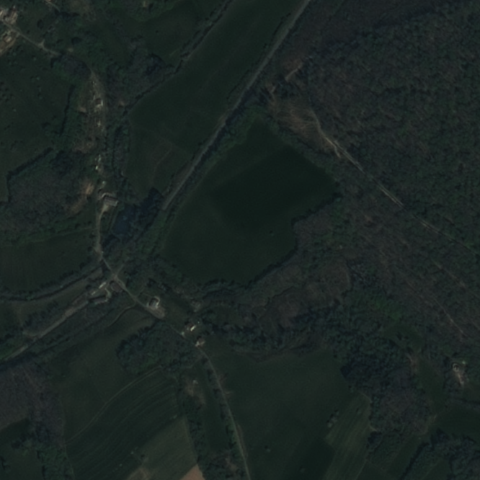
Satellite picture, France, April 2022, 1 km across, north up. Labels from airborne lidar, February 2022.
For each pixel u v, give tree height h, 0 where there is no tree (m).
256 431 0
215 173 0
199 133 0
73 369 0
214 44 0
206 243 0
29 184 30
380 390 17
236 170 0
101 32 0
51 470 19
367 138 26
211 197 0
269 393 0
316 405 0
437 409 0
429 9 10
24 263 0
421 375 0
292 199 0
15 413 31
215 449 0
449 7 28
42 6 10
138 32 0
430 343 18
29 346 0
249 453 0
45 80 0
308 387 0
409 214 27
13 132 0
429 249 30
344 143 30
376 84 32
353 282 8
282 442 0
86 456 0
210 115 0
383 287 26
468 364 15
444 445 28
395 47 26
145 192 0
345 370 0
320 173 0
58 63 20
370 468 0
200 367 0
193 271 0
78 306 0
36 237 23
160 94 0
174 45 0
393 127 29
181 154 0
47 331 0
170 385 0
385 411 30
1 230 20
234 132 28
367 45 29
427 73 29
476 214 29
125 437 0
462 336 29
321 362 0
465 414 0
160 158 0
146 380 0
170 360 23
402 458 0
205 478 8
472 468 32
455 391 23
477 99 28
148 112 0
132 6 30
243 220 0
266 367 0
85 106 0
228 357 0
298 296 0
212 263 0
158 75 31
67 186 33
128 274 8
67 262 0
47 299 0
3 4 0
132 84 21
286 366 0
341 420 0
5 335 0
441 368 17
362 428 0
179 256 0
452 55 27
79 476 0
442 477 0
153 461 0
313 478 0
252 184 0
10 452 0
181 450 0
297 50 12
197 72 0
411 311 27
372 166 26
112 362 0
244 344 16
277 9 0
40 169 26
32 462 0
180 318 0
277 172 0
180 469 0
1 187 0
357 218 25
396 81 32
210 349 0
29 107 0
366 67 29
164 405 0
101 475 0
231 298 31
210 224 0
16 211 29
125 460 0
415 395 36
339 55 29
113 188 0
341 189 23
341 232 31
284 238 0
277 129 24
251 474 0
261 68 0
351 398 0
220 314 0
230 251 0
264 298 29
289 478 0
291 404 0
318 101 27
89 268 20
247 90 0
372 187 30
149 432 0
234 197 0
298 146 25
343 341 31
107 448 0
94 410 0
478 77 28
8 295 22
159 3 20
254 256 0
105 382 0
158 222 24
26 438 0
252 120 19
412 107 28
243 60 0
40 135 0
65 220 29
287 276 35
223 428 0
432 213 28
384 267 25
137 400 0
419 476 19
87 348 0
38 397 35
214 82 0
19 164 0
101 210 6
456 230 31
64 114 0
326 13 14
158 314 0
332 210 27
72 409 0
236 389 0
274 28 0
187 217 0
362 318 10
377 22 12
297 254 16
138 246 20
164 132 0
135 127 0
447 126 26
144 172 0
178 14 0
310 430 0
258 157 0
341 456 0
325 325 27
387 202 29
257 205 0
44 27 11
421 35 27
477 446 18
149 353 29
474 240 30
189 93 0
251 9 0
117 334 0
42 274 0
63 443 27
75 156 16
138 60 24
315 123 0
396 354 16
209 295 17
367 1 12
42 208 25
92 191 0
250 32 0
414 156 27
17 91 0
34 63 0
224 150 20
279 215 0
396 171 24
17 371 33
